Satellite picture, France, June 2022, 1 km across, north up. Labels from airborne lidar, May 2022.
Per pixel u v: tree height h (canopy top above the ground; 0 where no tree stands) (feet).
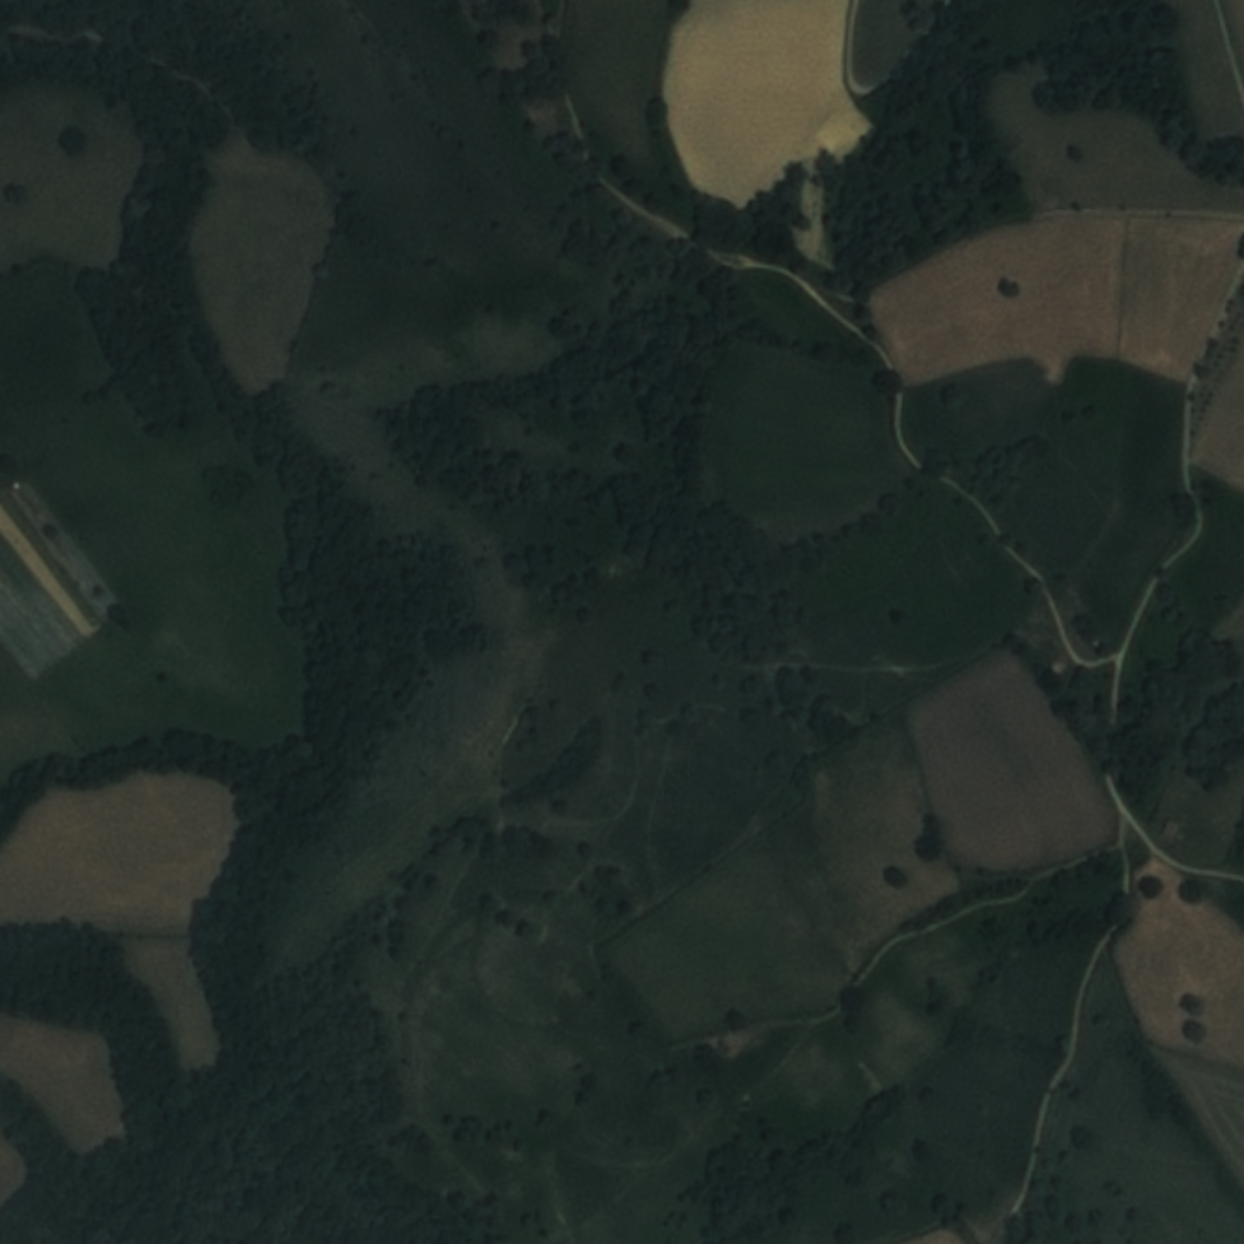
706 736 0
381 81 0
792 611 45
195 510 0
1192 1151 0
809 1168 42
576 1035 0
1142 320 0
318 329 0
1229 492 0
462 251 0
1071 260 0
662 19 0
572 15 0
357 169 0
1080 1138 40
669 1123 0
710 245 30
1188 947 0
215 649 0
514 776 0
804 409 0
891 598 0
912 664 0
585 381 49
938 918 31
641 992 0
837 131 0
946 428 0
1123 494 0
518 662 0
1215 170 48
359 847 0
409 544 35
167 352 71
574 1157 0
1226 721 74
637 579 0
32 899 0
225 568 0
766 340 25
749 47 0
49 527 19
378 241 21
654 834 0
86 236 0
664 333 71
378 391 0
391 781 0
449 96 0
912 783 0
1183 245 0
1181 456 0
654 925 0
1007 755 0
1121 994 0
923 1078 0
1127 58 82
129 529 0
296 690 0
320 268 29
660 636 0
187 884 0
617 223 41
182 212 66
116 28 74
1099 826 0
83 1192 61
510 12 57
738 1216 53
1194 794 0
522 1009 0
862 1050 0
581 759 43
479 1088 0
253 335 0
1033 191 0
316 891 0
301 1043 70
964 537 0
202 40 52
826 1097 0
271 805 39
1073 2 26
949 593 0
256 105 20
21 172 0
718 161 0
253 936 38
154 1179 70
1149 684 48
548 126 0
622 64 0
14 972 69
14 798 62
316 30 0
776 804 0
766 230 74
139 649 0
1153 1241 0
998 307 0
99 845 0
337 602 70
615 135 0
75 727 0
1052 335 0
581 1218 0
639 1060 0
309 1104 81
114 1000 77
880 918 0
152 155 41
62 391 0
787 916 0
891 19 0
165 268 90
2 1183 0
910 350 0
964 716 0
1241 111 0
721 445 0
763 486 0
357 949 28
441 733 0
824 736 31
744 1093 0
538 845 56
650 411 69
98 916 0
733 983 0
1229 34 0
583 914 0
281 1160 62
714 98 0
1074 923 18
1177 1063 0
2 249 0
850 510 0
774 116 0
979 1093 0
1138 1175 0
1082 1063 0
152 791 0
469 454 41
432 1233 87
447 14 37
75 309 0
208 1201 46
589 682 0
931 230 45
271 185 0
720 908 0
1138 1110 0
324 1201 69
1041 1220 44
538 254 0
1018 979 0
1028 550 38
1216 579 0
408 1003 0
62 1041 0
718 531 80
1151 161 0
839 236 54
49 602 0
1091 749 33
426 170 0
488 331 0
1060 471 0
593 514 31
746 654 47
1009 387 0
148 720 0
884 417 0
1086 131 0
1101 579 0
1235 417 0
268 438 60
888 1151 0
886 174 28
